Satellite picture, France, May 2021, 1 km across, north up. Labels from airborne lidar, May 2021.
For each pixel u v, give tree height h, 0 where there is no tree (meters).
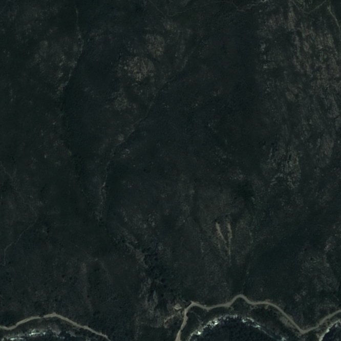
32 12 0
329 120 0
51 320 7
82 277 0
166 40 0
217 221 15
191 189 0
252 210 6
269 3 0
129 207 0
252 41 0
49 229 10
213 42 0
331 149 0
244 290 7
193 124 7
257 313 8
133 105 0
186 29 0
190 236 0
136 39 0
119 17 0
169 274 8
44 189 9
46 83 7
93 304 6
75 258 0
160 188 0
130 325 5
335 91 0
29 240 7
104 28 0
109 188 16
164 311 6
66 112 8
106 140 0
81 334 20
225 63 0
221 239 0
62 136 7
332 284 8
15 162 8
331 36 0
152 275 25
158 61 6
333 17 0
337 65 0
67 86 6
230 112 6
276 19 0
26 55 6
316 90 0
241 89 7
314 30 0
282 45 0
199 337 18
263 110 0
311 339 7
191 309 6
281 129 0
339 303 11
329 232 0
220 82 0
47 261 10
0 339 14
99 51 0
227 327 15
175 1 0
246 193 16
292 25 0
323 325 7
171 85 0
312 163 0
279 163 7
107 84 0
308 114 0
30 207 0
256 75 0
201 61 0
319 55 0
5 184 11
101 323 8
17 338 0
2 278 11
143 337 7
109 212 9
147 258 26
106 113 0
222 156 6
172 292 23
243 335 23
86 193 8
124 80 0
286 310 8
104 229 13
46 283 11
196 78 0
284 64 0
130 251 12
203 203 0
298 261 7
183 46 0
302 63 0
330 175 0
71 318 9
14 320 12
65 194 7
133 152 0
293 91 0
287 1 0
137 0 0
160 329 8
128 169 8
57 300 18
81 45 7
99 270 17
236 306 9
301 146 0
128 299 6
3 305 12
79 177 8
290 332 8
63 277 19
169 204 0
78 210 9
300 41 0
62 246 6
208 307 0
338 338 7
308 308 7
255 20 0
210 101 6
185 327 7
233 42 0
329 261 8
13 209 0
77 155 11
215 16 8
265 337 12
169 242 0
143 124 0
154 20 0
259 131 0
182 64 0
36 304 20
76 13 6
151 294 18
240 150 6
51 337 8
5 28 7
